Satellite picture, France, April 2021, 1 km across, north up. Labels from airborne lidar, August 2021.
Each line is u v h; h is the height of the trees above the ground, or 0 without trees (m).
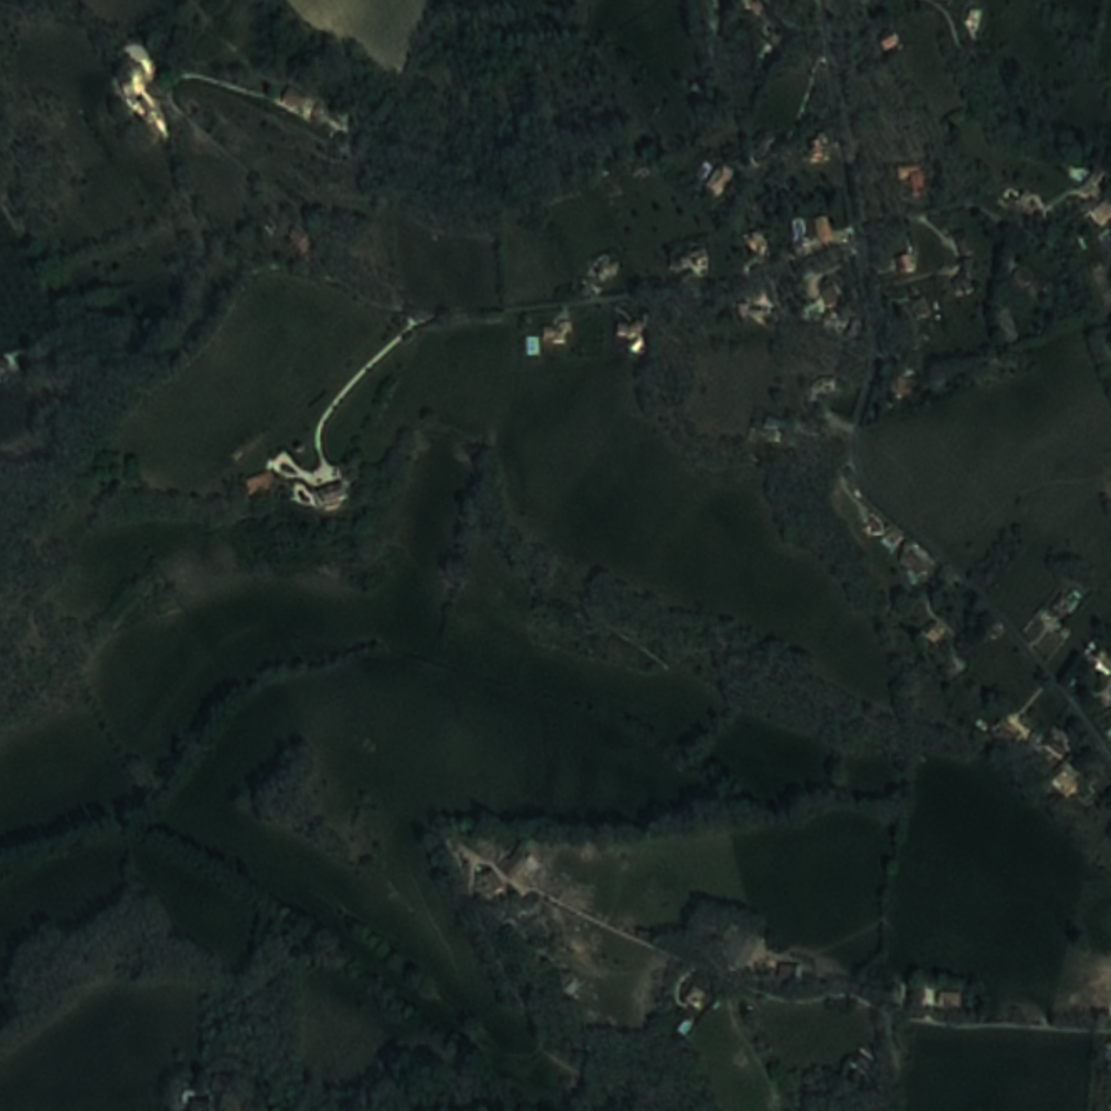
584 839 15
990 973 0
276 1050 21
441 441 0
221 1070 18
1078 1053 0
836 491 11
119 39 9
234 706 26
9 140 11
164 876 0
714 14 18
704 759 18
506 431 0
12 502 16
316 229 19
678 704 0
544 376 0
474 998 0
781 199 11
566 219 0
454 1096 24
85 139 0
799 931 0
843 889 0
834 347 17
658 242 0
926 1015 14
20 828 0
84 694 14
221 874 30
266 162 0
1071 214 7
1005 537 10
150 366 22
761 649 9
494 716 0
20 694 22
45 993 24
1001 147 15
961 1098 0
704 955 18
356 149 12
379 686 0
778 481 17
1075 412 0
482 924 18
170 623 0
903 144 14
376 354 0
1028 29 0
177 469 0
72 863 0
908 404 9
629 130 23
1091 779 8
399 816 0
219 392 0
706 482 0
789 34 6
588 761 0
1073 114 0
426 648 0
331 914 0
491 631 0
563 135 20
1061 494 0
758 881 0
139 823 28
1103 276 0
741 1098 0
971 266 12
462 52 8
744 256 10
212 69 0
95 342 17
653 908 0
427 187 19
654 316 22
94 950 19
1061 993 0
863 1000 13
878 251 17
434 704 0
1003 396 0
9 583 16
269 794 23
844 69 11
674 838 11
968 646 8
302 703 0
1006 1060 0
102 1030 0
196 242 12
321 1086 19
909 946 0
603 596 18
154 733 0
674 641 22
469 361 0
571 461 0
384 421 0
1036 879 0
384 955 13
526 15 26
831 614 0
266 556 10
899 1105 13
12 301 9
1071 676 13
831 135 14
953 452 0
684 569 0
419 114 11
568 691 0
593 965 0
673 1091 22
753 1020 13
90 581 0
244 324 0
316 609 0
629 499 0
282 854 0
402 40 0
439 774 0
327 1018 0
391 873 0
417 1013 12
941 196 16
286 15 10
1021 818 0
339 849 16
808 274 11
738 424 0
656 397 19
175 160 6
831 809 14
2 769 0
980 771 0
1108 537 0
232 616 0
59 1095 0
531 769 0
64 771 0
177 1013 0
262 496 12
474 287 0
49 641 14
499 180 6
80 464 13
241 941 0
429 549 0
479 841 8
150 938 23
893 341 19
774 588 0
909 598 12
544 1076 0
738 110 16
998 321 12
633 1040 15
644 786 0
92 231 0
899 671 15
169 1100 17
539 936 13
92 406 14
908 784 8
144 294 0
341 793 0
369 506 19
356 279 17
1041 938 0
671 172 6
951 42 15
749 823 20
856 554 18
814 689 19
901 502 0
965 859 0
